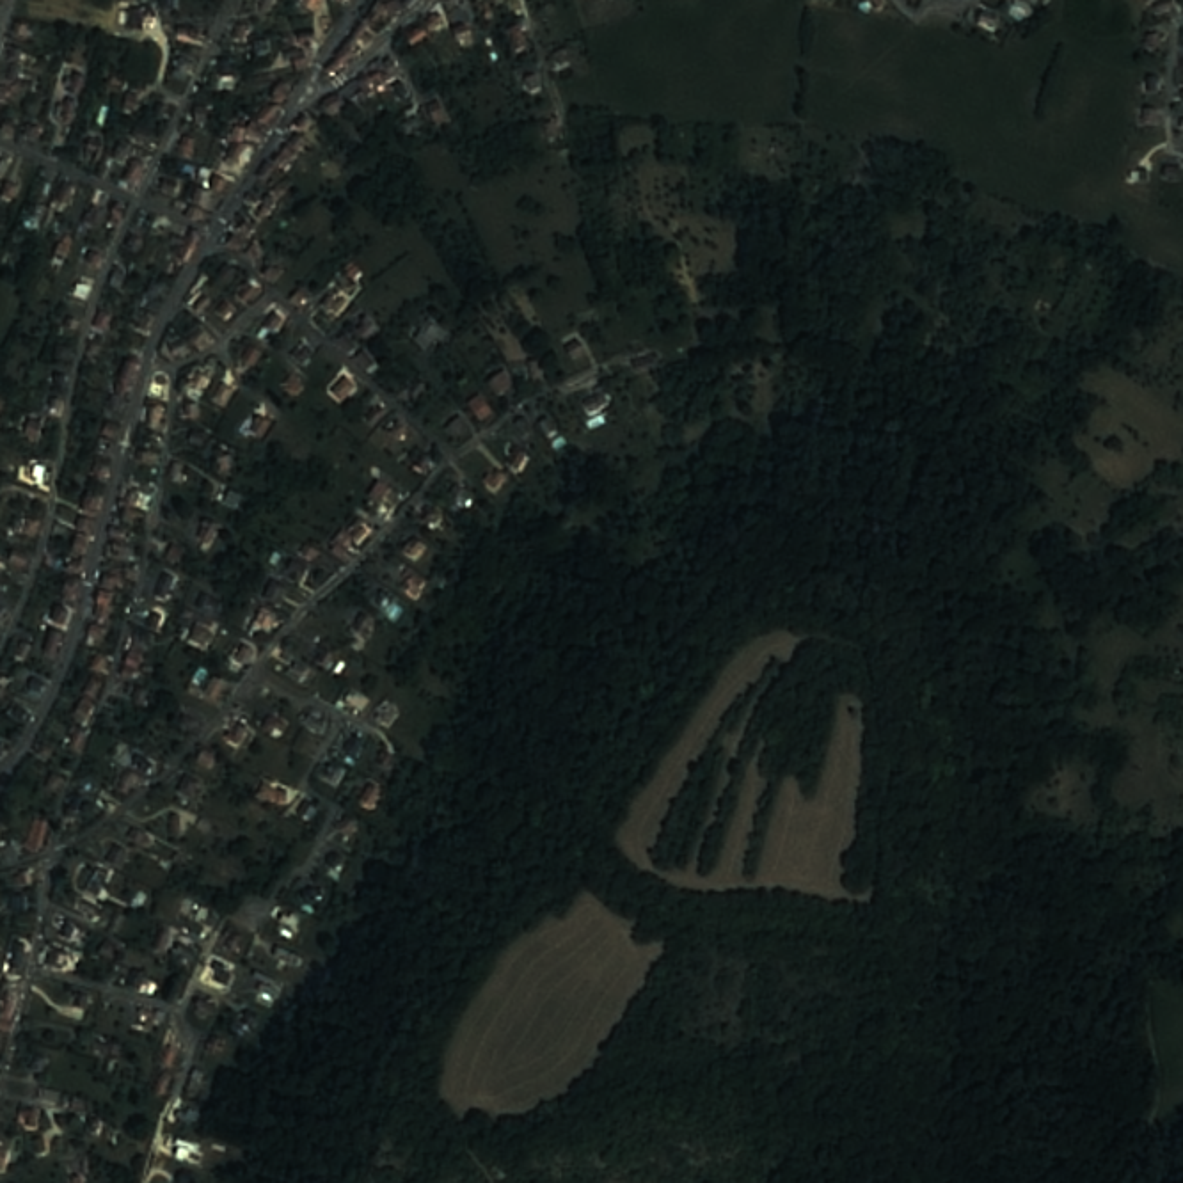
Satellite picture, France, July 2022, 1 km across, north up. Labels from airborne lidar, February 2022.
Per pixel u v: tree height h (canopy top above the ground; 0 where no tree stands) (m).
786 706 11
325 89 0
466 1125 8
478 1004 0
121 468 0
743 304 7
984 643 30
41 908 0
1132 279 9
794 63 0
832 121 0
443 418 0
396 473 0
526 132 7
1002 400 20
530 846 17
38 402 0
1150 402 0
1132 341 10
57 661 0
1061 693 19
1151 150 0
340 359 0
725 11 0
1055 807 8
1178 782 0
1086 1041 29
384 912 20
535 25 0
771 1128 8
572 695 21
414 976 26
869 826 11
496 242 0
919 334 6
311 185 0
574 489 21
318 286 11
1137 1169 31
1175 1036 0
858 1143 16
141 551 6
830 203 7
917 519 31
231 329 0
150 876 0
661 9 0
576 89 0
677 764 0
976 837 29
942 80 0
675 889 9
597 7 0
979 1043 27
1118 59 0
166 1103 0
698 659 17
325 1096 13
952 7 0
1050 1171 22
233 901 8
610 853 13
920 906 23
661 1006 11
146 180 0
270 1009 0
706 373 9
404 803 12
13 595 0
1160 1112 0
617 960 0
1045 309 6
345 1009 24
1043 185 0
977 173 0
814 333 8
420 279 0
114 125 8
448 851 23
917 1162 19
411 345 0
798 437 24
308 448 0
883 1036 13
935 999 22
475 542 7
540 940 0
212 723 0
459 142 7
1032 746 21
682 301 9
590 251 12
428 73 6
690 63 0
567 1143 7
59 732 0
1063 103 0
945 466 28
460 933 10
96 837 0
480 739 19
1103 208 0
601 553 9
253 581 7
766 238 26
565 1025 0
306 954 0
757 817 8
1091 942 19
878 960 11
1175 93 0
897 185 15
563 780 15
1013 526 20
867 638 15
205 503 11
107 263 0
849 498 28
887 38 0
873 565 29
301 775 0
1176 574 16
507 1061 0
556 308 0
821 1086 6
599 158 8
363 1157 13
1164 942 21
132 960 0
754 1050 10
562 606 20
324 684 0
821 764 8
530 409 10
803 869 0
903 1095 20
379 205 13
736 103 0
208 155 0
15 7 0
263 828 7
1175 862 14
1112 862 20
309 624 0
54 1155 0
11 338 6
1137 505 11
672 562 14
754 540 31
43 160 0
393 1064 17
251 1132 23
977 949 29
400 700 0
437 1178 10
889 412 12
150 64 0
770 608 18
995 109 0
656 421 0
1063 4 0
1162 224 0
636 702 12
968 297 10
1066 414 8
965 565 16
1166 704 9
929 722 22
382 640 0
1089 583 27
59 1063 0
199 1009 0
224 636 0
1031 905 28
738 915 7
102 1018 0
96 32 10
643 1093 12
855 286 21
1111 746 8
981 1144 22
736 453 18
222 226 0
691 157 6
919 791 19
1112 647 0
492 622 9
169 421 0
